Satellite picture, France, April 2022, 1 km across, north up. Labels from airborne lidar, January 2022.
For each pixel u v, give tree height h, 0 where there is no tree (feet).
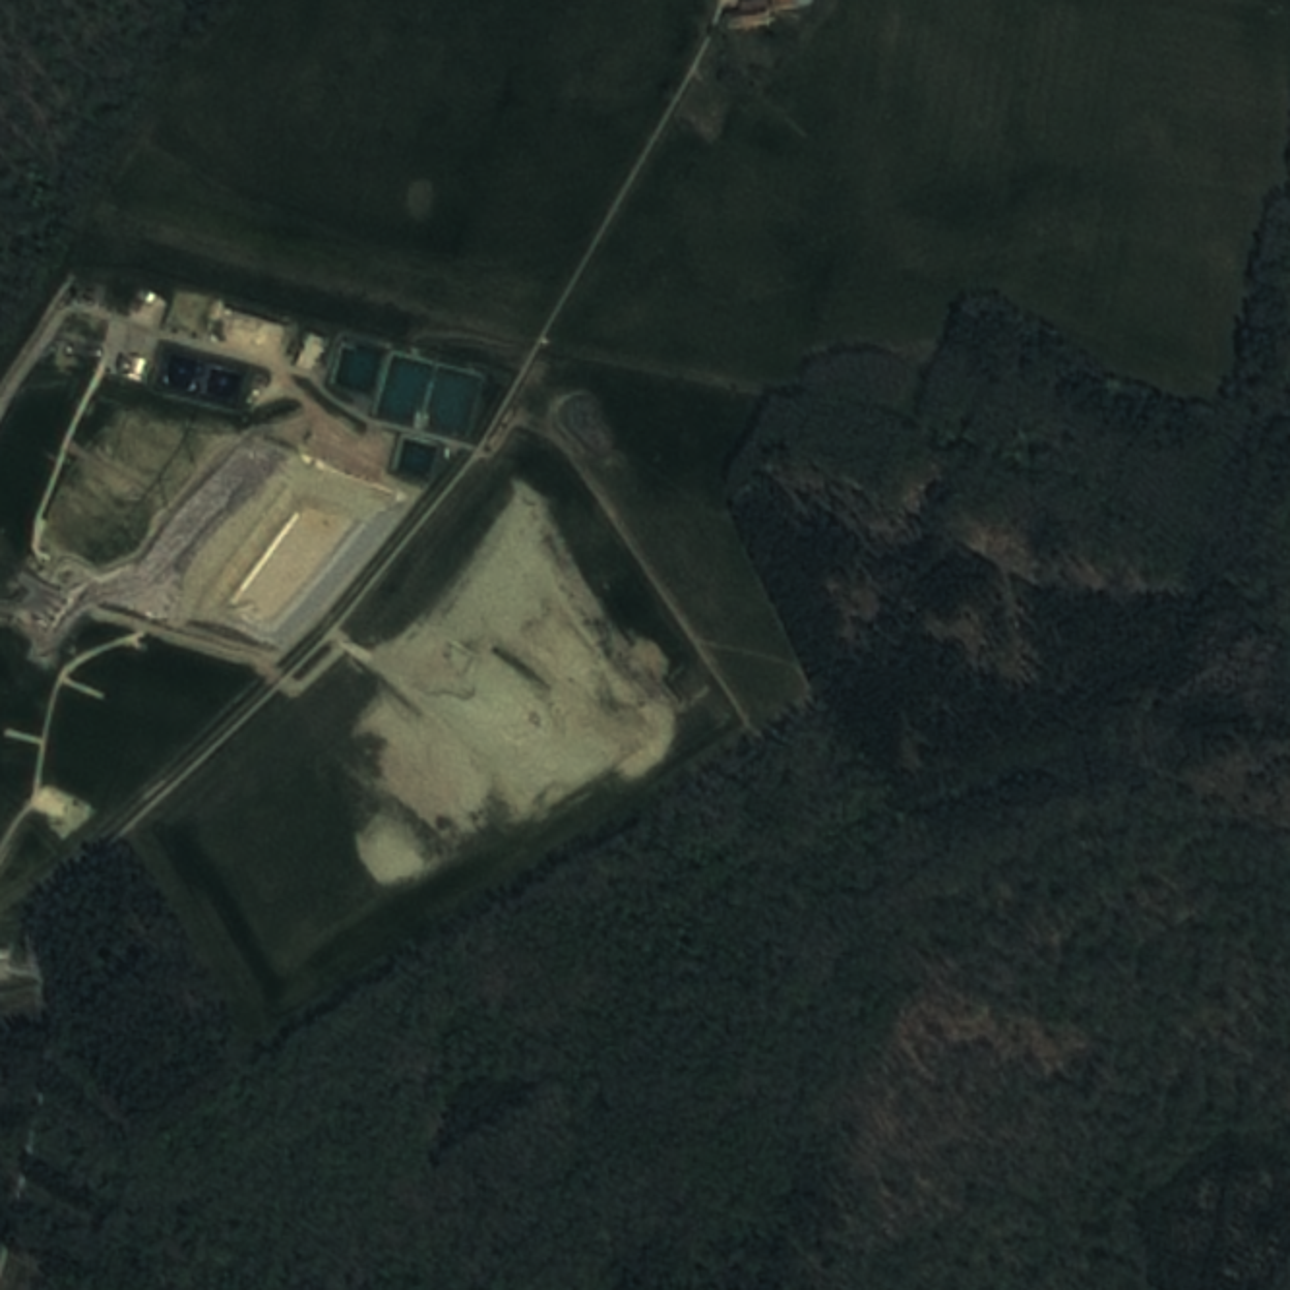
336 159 0
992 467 80
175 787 0
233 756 0
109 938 95
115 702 0
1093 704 70
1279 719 61
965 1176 83
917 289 0
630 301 0
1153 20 0
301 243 0
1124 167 0
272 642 0
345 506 0
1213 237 0
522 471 0
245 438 0
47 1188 60
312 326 0
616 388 0
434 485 0
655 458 0
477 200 0
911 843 97
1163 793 87
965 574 77
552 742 0
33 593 0
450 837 0
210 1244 81
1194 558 89
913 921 87
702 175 0
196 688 0
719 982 93
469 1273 86
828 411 77
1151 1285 86
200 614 0
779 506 62
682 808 65
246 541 0
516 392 0
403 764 0
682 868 85
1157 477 77
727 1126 91
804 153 0
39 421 0
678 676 0
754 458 60
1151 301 0
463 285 0
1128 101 0
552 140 0
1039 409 75
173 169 0
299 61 0
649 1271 61
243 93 0
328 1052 88
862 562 89
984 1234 78
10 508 0
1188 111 0
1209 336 0
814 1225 77
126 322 0
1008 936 91
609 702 0
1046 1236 89
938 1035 71
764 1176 80
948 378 65
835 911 100
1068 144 0
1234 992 68
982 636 74
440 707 0
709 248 0
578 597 0
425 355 0
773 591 52
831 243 0
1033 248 0
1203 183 0
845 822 100
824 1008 87
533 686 0
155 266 0
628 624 0
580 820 0
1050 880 90
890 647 72
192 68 0
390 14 0
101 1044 91
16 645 0
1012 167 0
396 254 0
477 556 0
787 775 90
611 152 0
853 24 0
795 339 0
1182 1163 65
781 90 0
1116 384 43
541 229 0
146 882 68
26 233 84
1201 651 56
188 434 0
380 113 0
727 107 0
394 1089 82
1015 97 0
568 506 0
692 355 0
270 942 0
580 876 88
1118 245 0
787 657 0
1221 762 59
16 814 0
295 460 0
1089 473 79
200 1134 80
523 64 0
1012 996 94
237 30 0
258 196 0
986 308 60
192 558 0
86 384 0
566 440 0
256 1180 88
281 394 0
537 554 0
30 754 0
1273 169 0
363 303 19
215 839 0
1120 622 64
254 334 0
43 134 91
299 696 0
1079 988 90
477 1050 90
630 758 0
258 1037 0
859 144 0
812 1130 93
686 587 0
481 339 0
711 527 0
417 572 0
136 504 0
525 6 0
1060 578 85
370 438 0
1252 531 81
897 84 0
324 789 0
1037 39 0
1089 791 57
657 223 0
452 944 61
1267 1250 21
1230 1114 86
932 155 0
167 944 65
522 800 0
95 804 0
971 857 93
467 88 0
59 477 0
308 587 0
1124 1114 92
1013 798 85
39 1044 71
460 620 0
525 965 92
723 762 0
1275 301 90
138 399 0
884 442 80
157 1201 87
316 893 0
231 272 0
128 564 0
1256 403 64
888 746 71
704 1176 83
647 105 0
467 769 0
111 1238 85
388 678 0
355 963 0
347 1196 81
